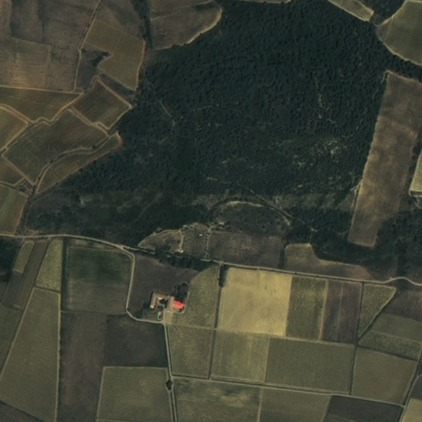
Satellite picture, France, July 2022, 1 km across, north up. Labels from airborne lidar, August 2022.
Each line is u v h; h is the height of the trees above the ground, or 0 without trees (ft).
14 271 0
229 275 0
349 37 39
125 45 0
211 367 0
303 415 0
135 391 0
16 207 0
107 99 0
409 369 0
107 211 0
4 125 0
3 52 0
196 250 0
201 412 0
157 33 0
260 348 0
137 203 0
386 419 0
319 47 20
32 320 0
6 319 0
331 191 21
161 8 0
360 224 0
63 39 0
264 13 40
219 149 19
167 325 0
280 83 40
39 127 0
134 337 0
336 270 0
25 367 0
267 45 38
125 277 0
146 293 0
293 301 0
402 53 0
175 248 0
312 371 0
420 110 0
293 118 37
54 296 0
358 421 0
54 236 0
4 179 0
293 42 36
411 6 0
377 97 44
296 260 0
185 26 0
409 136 0
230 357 0
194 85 34
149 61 0
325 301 0
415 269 0
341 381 0
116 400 0
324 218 29
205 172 31
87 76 0
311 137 29
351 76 47
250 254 0
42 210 0
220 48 31
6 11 0
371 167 0
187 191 34
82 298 0
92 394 0
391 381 0
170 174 48
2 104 0
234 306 0
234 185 34
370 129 43
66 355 0
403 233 44
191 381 0
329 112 44
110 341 0
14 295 0
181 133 25
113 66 0
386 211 0
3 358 0
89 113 0
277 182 22
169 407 0
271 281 0
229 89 33
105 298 0
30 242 0
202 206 34
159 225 37
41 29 0
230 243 0
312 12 42
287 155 40
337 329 0
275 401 0
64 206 0
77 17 0
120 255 0
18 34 0
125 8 0
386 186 0
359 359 0
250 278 0
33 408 0
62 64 0
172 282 0
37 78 0
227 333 0
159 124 30
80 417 0
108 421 0
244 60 53
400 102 0
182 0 0
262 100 31
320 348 0
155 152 28
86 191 0
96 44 0
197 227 0
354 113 45
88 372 0
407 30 0
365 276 0
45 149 0
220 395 0
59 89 0
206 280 0
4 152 0
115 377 0
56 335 0
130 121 30
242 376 0
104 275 0
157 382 0
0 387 0
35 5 0
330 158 32
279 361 0
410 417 0
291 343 0
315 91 53
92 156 0
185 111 39
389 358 0
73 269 0
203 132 43
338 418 0
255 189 27
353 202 0
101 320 0
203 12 0
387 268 0
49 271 0
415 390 0
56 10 0
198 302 0
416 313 0
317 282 0
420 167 0
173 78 23
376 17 0
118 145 0
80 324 0
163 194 0
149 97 22
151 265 0
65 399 0
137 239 22
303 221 29
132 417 0
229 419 0
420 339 0
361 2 0
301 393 0
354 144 34
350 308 0
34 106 0
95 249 0
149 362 0
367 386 0
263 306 0
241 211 0
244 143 28
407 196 0
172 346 0
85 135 0
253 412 0
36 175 0
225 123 28
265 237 0
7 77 0
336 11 41
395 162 0
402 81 0
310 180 22
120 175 28
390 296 0
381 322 0
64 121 0
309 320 0
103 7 0
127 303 0
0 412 0
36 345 0
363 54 38
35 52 0
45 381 0
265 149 22
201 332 0
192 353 0
